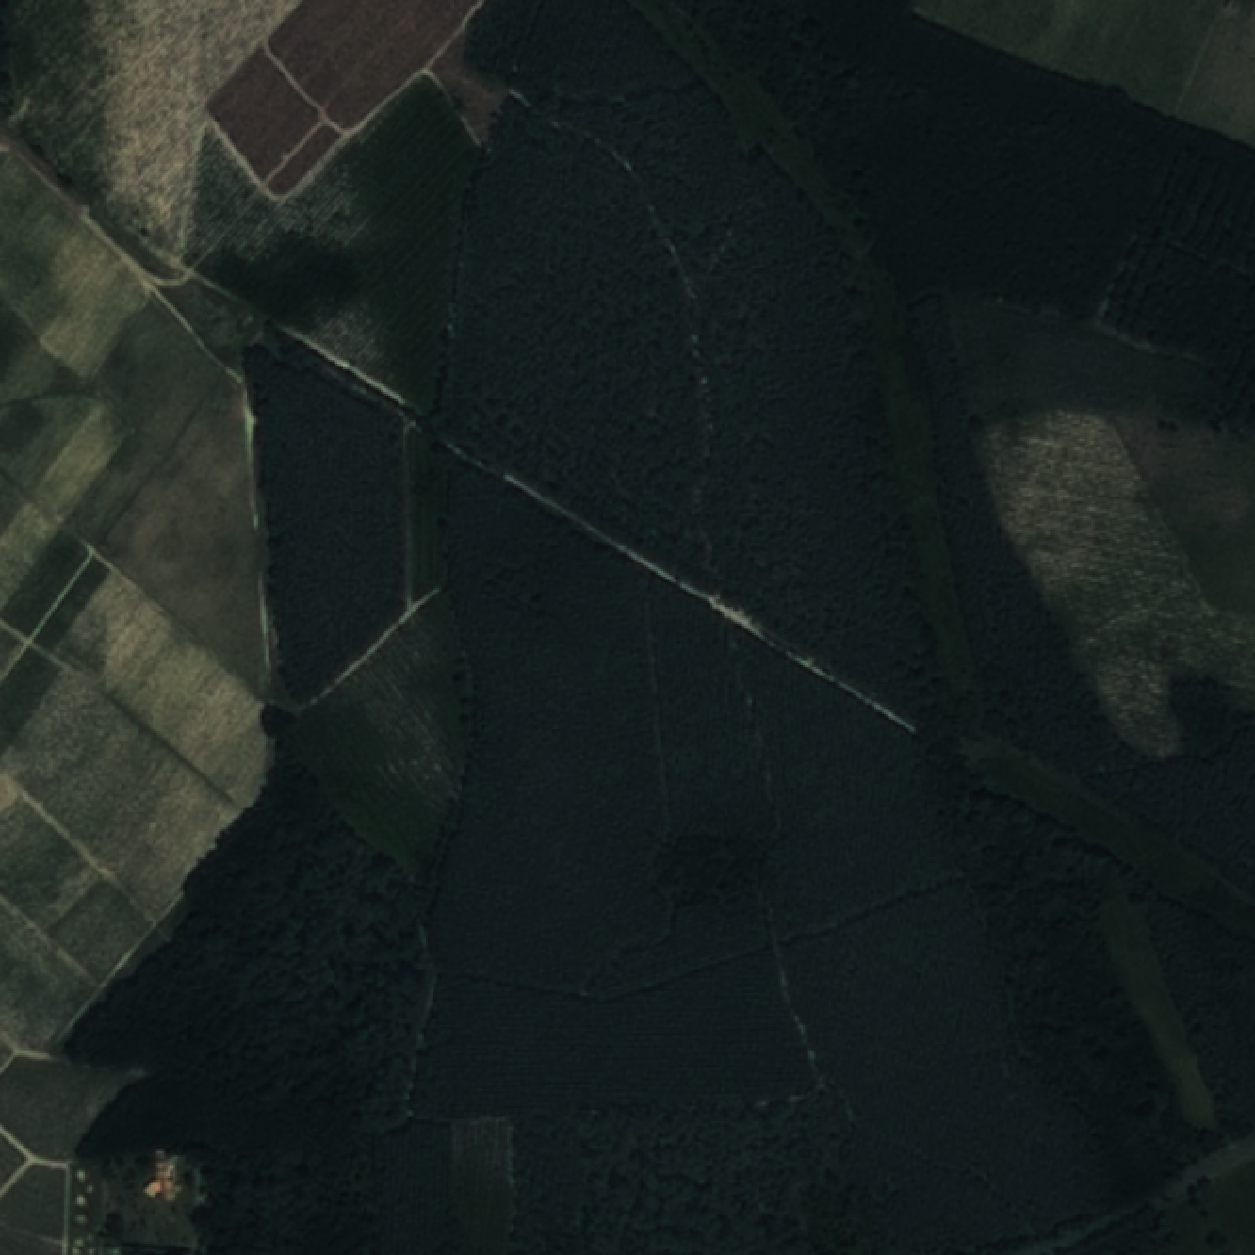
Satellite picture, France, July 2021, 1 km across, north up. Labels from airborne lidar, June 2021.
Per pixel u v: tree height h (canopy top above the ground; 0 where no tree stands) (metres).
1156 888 11
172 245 0
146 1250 5
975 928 11
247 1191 26
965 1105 11
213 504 0
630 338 17
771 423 17
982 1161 11
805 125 11
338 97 0
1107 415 0
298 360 11
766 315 19
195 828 0
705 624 13
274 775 9
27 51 0
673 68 11
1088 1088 17
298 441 13
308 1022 29
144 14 0
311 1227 13
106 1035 22
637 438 18
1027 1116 11
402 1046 29
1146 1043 10
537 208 16
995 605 12
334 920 30
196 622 0
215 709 0
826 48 28
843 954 10
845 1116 11
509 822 15
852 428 20
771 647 13
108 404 0
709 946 13
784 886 13
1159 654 0
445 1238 11
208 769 0
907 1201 10
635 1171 8
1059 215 12
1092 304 12
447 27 0
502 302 16
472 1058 12
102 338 0
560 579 11
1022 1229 9
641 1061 11
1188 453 0
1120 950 0
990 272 10
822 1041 11
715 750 13
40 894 0
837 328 17
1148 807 13
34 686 0
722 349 15
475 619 14
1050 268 13
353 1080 14
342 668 14
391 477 15
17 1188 0
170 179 0
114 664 0
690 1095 12
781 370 16
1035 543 0
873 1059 10
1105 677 0
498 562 11
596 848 14
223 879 18
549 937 16
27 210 0
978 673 8
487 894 16
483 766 13
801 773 14
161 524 0
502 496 15
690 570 15
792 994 12
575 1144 10
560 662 14
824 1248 6
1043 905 15
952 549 12
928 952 11
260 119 0
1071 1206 11
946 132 14
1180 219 9
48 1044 0
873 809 14
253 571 0
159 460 0
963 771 17
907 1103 10
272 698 0
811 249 18
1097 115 12
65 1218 0
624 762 15
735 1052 13
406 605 13
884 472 7
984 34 0
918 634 13
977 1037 12
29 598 0
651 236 15
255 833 16
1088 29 0
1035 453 0
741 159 20
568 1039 13
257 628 0
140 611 0
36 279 0
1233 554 0
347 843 27
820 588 18
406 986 32
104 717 0
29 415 0
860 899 13
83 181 0
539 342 16
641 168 18
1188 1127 6
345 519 15
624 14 11
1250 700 0
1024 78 10
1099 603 0
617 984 14
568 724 14
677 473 16
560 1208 12
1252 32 0
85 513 0
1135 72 0
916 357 6
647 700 13
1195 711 17
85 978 0
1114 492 0
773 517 17
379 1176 11
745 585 17
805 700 14
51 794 0
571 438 13
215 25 0
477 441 17
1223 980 14
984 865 12
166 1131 12
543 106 18
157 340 0
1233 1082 14
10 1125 0
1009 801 15
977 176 14
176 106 0
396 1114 27
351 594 15
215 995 17
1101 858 20
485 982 13
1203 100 0
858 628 19
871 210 12
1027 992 15
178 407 0
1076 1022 10
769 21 13
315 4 0
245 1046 17
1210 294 13
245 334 0
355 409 15
